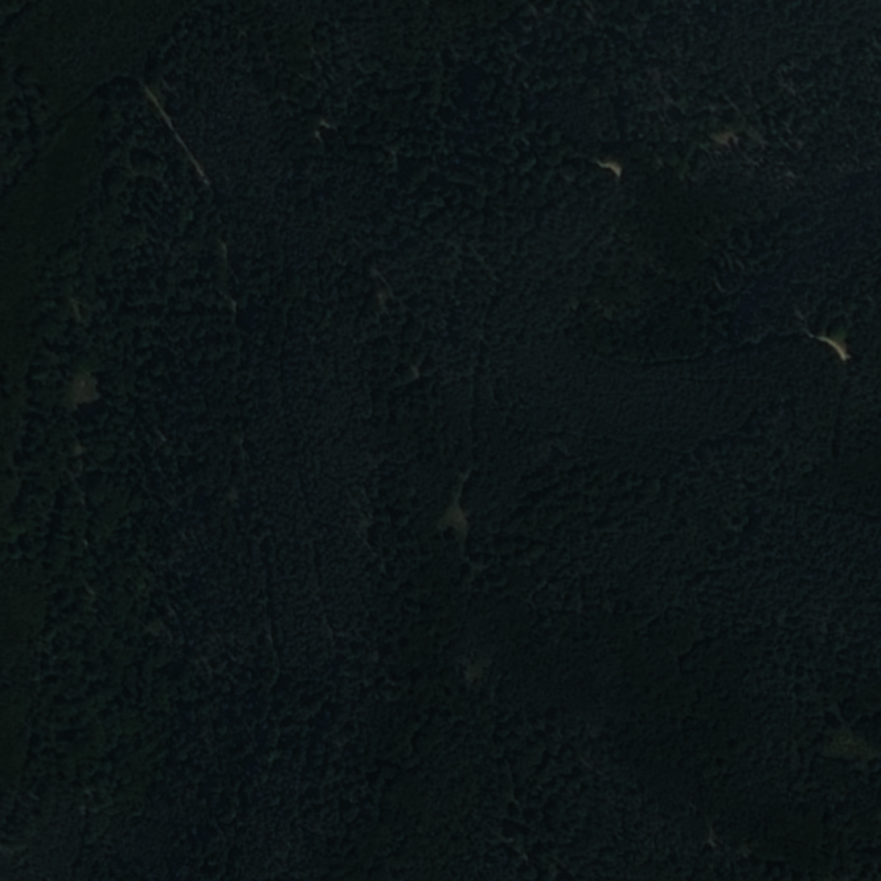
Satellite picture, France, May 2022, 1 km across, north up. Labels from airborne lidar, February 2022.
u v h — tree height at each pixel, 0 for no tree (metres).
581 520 14
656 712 12
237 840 20
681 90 27
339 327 17
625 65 30
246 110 21
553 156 21
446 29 28
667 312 23
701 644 8
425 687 14
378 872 19
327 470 21
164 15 23
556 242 33
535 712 11
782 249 25
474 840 30
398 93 14
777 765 10
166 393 35
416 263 13
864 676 13
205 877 29
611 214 24
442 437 16
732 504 12
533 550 20
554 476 22
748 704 13
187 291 32
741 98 31
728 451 30
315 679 22
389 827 20
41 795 28
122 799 13
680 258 27
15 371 9
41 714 13
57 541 31
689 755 13
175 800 11
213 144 26
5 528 22
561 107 27
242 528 27
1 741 19
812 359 18
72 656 28
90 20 22
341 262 8
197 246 29
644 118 29
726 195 23
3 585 20
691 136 29
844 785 13
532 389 18
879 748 8
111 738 26
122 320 28
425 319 25
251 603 29
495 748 26
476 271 23
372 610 24
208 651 30
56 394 26
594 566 8
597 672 10
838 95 29
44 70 20
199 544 34
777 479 29
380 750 16
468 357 29
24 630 17
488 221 24
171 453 12
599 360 23
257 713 28
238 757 10
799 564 30
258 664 27
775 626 16
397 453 15
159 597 10
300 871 22
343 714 25
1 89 36
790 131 27
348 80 30
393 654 29
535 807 29
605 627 13
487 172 27
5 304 22
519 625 12
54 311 28
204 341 38
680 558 12
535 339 22
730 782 10
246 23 18
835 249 31
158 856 12
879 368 26
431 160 30
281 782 15
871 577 31
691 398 26
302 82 23
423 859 18
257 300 28
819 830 8
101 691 30
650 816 7
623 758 12
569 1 32
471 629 13
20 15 22
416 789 20
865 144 32
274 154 21
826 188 37
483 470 19
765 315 30
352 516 22
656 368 29
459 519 0
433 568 14
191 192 33
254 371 22
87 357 25
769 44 28
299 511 27
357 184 31
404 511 16
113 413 32
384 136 27
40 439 23
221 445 30
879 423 27
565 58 38
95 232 24
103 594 32
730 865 23
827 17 33
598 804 22
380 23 27
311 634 27
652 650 13
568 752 24
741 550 36
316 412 15
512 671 12
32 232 16
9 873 8
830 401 30
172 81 32
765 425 39
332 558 13
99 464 29
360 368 18
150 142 35
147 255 34
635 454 17
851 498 23
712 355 19
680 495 29
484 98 34
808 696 12
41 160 19
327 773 19
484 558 19
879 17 27
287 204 23
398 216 34
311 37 22
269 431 28
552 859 31
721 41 29
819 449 24
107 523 32
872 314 24
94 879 13
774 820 15
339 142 23
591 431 20
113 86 25
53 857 10
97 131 11
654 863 23
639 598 11
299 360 24
